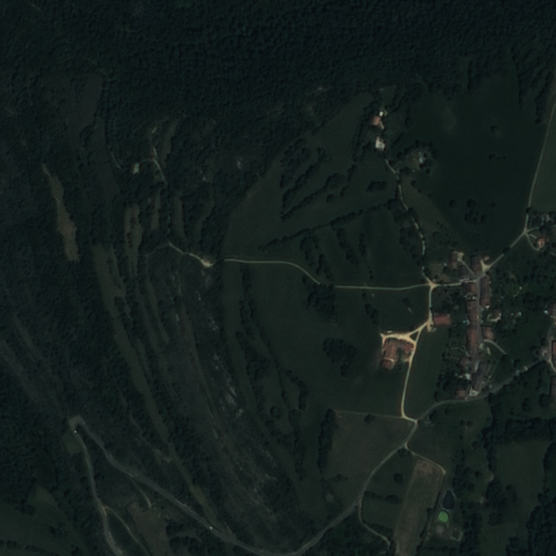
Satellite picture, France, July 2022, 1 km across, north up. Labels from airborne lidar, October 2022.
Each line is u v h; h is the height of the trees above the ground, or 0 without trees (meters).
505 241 0
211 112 11
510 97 0
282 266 0
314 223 0
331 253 0
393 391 0
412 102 16
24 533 0
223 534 0
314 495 0
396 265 0
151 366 7
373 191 15
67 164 13
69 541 0
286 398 13
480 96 0
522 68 9
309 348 0
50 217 13
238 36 10
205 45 24
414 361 0
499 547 0
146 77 14
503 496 10
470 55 13
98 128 0
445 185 0
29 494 12
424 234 11
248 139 7
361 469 0
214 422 0
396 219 12
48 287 10
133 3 20
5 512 0
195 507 6
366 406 0
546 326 0
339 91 12
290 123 10
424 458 0
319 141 0
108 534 0
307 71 19
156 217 0
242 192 10
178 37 16
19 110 11
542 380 8
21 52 8
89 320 11
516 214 0
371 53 17
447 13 19
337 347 14
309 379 0
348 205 0
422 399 0
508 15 13
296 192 16
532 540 11
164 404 5
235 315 0
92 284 13
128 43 13
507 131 0
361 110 0
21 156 10
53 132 7
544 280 11
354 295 0
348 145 0
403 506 0
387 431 0
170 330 6
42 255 7
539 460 0
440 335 0
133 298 11
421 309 0
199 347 11
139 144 7
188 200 12
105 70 6
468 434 0
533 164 0
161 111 10
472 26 21
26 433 17
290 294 0
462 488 19
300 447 10
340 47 15
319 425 0
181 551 0
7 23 11
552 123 0
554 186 0
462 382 11
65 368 6
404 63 11
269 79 18
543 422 24
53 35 12
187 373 0
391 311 0
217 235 6
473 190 0
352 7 11
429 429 0
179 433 11
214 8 21
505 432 24
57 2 8
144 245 12
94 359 11
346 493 0
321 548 8
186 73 15
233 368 8
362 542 10
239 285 0
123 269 11
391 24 22
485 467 0
